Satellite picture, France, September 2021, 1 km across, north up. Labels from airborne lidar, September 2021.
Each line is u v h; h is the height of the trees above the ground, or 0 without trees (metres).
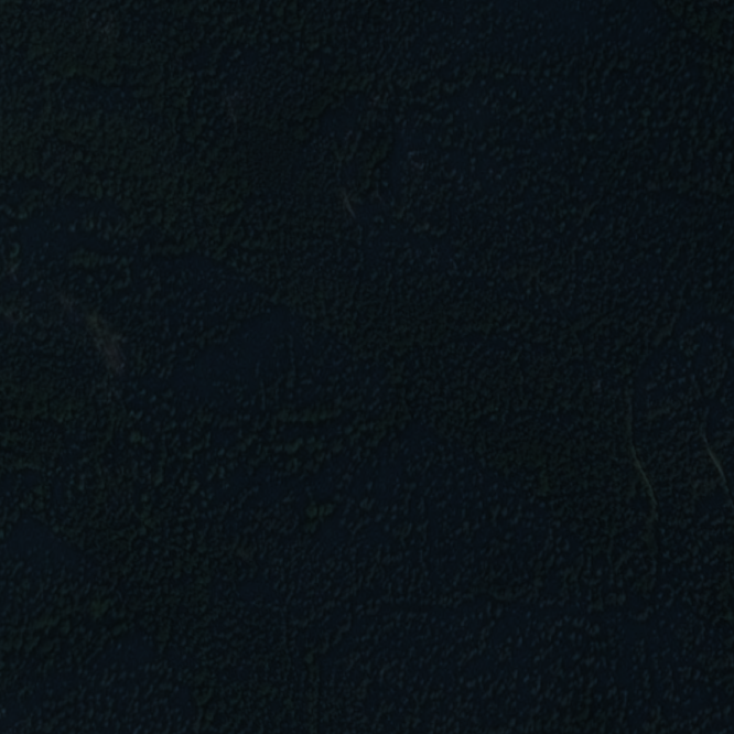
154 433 25
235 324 29
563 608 20
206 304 23
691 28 18
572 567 21
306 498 13
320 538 0
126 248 6
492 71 27
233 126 28
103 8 33
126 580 25
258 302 29
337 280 27
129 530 28
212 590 23
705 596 32
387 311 30
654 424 8
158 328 33
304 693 20
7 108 24
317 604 32
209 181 24
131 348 33
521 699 9
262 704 26
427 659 26
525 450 32
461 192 32
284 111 32
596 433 11
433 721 24
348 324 30
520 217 30
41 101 22
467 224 35
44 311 29
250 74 31
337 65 27
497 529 17
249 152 23
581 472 41
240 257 30
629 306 33
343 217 35
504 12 28
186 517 24
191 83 9
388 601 28
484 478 26
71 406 26
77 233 14
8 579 30
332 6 34
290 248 28
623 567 9
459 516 35
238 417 30
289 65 28
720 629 17
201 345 28
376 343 32
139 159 27
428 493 26
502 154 33
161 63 21
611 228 27
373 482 19
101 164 19
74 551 18
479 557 23
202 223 25
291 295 28
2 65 29
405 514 30
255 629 15
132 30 26
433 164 35
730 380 18
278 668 27
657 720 23
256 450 25
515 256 29
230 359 25
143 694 31
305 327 32
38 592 37
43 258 30
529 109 33
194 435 28
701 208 21
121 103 26
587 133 21
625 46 40
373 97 22
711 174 24
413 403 21
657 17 19
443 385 15
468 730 19
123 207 32
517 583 25
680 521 26
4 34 31
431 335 31
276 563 28
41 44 24
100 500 17
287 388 33
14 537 24
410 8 33
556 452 35
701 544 21
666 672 38
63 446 8
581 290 30
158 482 29
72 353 22
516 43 11
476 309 29
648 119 13
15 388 25
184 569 27
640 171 28
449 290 20
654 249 20
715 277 13
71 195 13
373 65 30
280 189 22
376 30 27
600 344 21
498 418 26
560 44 36
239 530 20
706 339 10
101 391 28
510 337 12
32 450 14
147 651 27
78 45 26
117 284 29
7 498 40
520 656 8
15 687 14
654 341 32
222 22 26
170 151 25
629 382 14
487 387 28
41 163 31
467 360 36
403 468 19
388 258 28
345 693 31
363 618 12
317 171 33
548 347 21
